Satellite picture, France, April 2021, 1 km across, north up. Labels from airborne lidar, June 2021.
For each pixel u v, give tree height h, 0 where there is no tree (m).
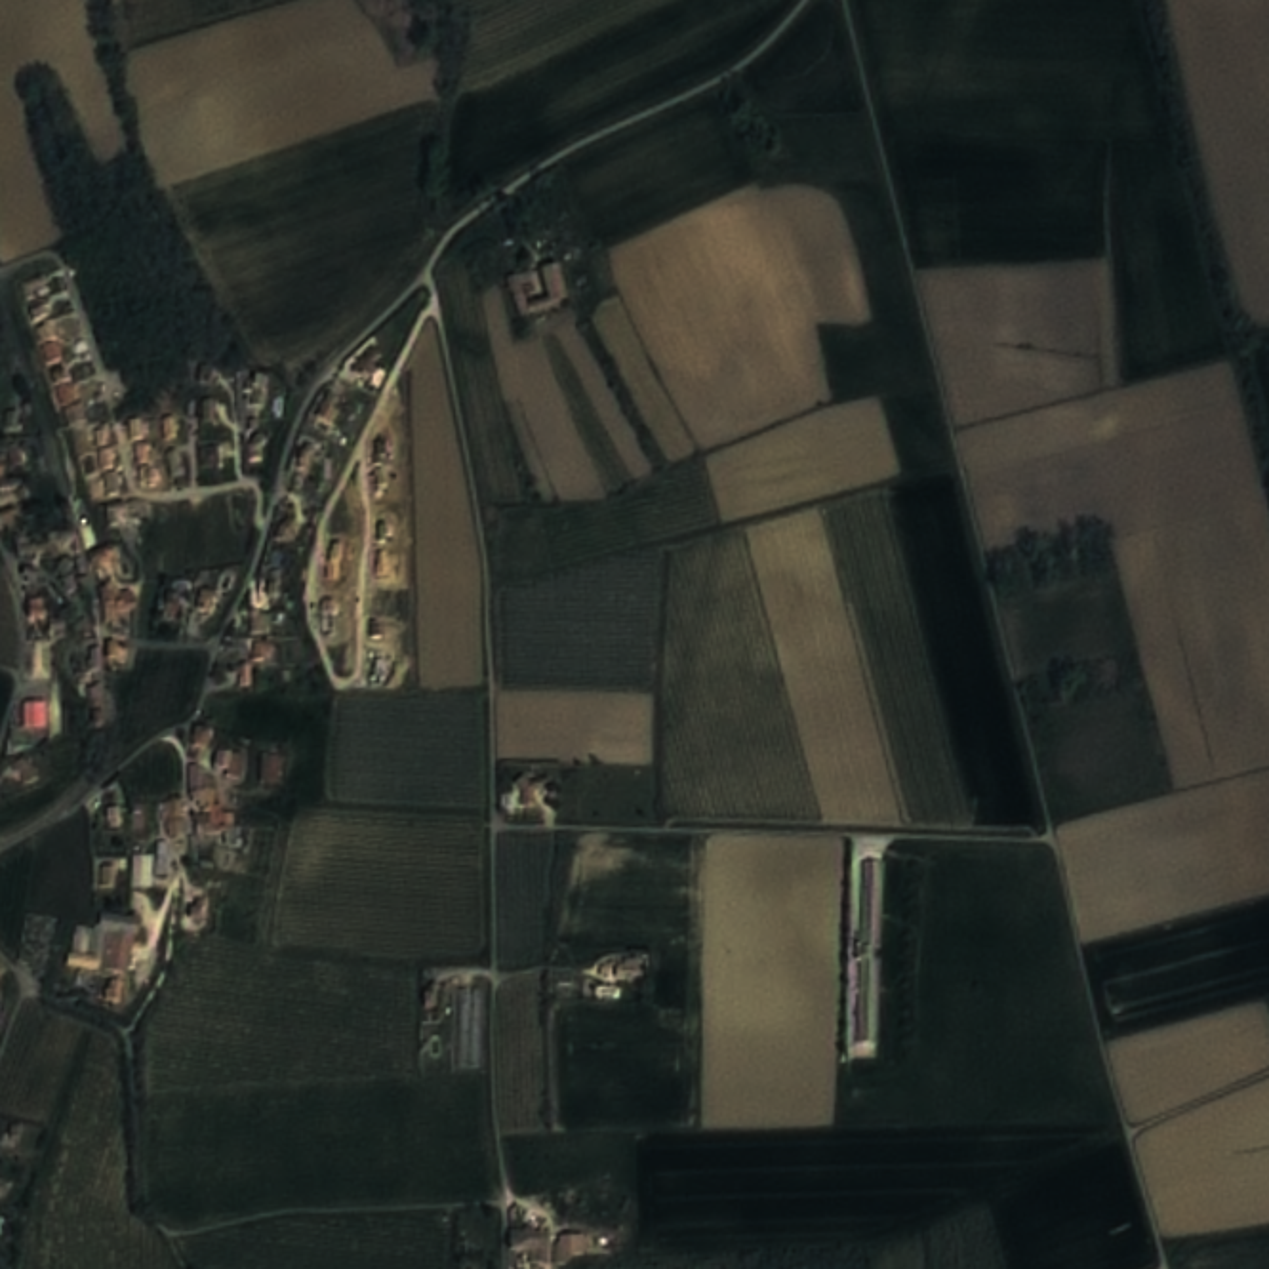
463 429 0
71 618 10
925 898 0
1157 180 0
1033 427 0
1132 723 0
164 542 0
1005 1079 0
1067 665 6
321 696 13
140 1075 16
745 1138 0
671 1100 0
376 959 0
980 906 0
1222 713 0
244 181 0
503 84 0
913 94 0
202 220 0
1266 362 0
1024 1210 0
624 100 0
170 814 0
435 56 9
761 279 0
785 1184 0
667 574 0
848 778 0
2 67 0
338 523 0
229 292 0
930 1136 0
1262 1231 0
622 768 0
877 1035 0
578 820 0
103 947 0
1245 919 0
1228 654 0
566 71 0
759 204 0
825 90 0
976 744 0
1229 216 0
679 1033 0
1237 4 0
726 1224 0
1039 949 0
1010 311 0
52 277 0
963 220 0
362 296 0
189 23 0
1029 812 0
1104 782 0
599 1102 0
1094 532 17
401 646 0
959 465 0
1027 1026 0
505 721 0
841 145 0
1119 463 0
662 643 0
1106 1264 0
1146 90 0
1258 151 0
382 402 0
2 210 0
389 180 0
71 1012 14
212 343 20
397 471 0
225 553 0
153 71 0
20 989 0
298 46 0
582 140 0
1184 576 0
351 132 0
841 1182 0
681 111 0
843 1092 0
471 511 0
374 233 0
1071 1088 0
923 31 0
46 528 9
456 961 0
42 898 0
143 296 11
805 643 0
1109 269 0
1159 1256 0
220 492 0
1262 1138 0
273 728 0
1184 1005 0
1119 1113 0
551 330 0
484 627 0
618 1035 0
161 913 0
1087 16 0
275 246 0
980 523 0
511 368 0
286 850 0
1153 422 0
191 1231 0
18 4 0
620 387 8
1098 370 0
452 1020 0
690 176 0
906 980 6
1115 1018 0
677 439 0
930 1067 0
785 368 0
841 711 0
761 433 0
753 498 0
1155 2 13
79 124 12
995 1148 0
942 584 0
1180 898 0
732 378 0
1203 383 0
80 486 0
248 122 0
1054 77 0
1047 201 0
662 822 0
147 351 10
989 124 0
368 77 0
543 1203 0
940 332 0
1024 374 0
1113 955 0
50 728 0
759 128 12
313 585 0
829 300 0
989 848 0
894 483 0
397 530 0
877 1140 0
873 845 0
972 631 0
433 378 0
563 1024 0
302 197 0
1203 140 0
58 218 18
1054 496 0
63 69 0
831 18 0
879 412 0
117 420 0
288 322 0
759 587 0
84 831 0
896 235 0
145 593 0
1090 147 0
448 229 0
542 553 0
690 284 0
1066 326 0
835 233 0
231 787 0
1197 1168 0
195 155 0
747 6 0
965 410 0
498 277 0
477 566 0
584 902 0
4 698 0
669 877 0
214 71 0
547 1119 10
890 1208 0
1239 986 0
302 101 0
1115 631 0
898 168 0
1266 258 0
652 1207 0
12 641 0
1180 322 0
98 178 20
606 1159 0
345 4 0
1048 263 0
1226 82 0
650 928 0
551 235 0
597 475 0
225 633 9
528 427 0
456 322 0
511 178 0
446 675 0
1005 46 0
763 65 0
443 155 16
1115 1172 0
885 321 0
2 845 0
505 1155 0
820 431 0
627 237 0
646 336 0
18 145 0
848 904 7
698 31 0
